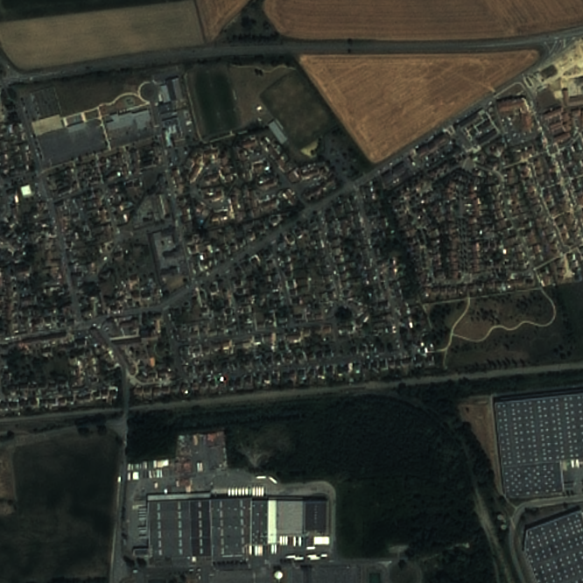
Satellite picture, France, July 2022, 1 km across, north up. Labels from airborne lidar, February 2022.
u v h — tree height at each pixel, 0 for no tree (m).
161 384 0
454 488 11
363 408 11
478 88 0
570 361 0
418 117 0
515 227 0
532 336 0
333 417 12
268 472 9
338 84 0
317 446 10
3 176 6
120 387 10
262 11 0
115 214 6
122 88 0
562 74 0
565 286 0
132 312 0
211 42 0
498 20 0
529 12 0
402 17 0
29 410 7
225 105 0
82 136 0
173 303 0
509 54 0
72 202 0
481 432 0
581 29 0
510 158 6
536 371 0
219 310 6
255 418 11
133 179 0
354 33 0
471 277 0
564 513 0
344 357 0
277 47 0
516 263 0
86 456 0
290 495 0
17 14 0
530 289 0
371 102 0
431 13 0
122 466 0
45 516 0
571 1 0
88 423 14
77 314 0
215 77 0
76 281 0
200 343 0
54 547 0
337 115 0
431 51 0
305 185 0
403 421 16
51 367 0
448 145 0
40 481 0
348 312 13
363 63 0
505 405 0
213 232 0
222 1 0
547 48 0
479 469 15
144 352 8
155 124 0
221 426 9
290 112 0
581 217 0
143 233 0
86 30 0
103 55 0
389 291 0
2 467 0
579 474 0
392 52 0
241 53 0
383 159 0
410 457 16
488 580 10
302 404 7
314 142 0
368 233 0
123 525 0
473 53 0
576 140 0
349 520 0
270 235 0
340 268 0
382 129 0
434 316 9
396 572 0
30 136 0
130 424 15
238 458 10
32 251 11
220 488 0
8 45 0
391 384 0
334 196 0
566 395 0
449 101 0
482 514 0
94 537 0
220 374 0
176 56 0
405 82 0
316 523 0
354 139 0
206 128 0
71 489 0
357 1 0
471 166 0
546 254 0
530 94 0
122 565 0
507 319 0
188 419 14
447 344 0
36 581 0
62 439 0
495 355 0
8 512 0
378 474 6
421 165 0
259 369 0
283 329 0
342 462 11
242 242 0
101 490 0
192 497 0
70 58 0
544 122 0
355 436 14
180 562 0
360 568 0
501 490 0
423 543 14
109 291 0
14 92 0
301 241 0
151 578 0
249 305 0
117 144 0
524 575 0
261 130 8
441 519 12
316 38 0
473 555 11
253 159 0
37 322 0
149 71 0
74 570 0
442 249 6
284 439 0
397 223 6
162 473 0
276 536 0
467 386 16
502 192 0
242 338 0
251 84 0
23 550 0
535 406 0
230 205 0
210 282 0
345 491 0
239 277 6
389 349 8
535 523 0
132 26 0
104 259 0
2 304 0
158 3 0
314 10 0
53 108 0
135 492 0
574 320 0
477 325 0
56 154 0
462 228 0
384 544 5
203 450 0
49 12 0
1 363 0
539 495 0
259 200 0
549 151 0
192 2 0
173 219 0
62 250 0
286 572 0
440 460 17
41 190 0
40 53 0
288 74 0
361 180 0
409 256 6
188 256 0
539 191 0
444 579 23
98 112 0
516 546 0
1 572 0
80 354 6
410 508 7
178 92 0
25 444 0
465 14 0
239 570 0
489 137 0
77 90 0
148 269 0
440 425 14
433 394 18
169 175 0
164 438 15
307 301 0
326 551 0
